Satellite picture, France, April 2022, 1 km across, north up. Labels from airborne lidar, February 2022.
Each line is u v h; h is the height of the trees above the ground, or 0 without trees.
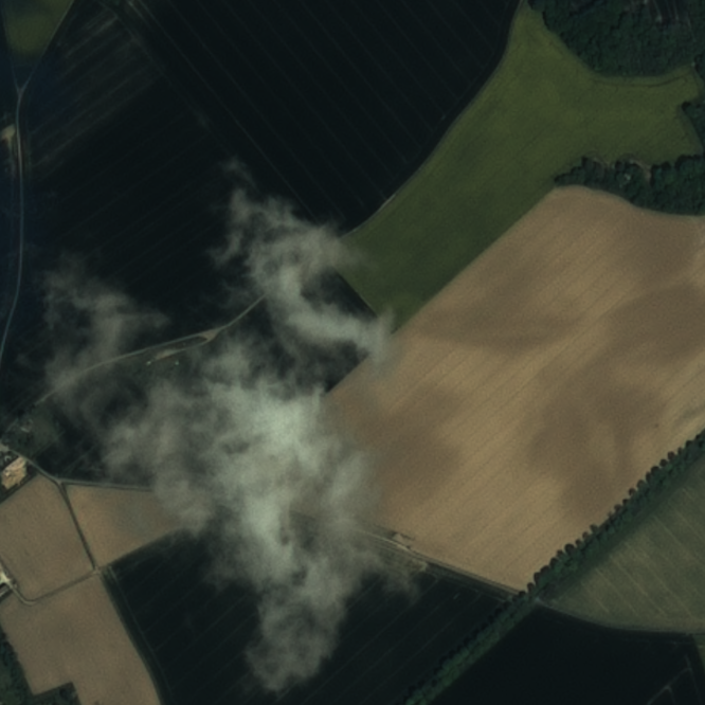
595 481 0
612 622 0
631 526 0
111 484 0
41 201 0
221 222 0
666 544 0
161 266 0
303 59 0
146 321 0
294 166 0
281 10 0
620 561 0
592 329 0
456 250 0
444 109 0
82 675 0
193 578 0
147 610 0
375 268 0
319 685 0
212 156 0
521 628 0
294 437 0
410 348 0
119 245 0
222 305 0
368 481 0
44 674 0
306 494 0
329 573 0
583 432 0
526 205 0
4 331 0
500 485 0
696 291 0
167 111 0
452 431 0
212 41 0
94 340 0
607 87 0
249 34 0
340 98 0
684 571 0
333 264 0
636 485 0
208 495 0
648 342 0
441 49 0
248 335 0
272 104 0
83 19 0
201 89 0
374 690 0
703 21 9
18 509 0
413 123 0
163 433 0
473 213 0
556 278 0
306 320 0
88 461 0
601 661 0
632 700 0
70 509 0
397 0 0
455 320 0
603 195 0
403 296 0
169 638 0
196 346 0
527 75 0
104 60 0
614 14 18
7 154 0
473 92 0
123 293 0
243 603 0
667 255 0
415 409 0
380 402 0
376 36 0
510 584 0
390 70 0
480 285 0
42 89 0
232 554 0
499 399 0
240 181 0
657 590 0
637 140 0
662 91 0
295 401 0
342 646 0
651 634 0
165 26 0
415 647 0
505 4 0
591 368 0
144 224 0
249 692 0
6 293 0
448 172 0
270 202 0
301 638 0
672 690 0
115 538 0
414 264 0
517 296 0
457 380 0
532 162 0
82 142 0
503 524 0
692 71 0
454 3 0
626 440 0
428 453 0
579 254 0
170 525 0
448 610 0
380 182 0
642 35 16
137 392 0
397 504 0
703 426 0
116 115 0
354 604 0
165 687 0
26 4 0
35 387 0
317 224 0
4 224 0
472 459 0
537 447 0
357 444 0
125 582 0
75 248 0
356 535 0
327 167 0
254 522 0
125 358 0
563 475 0
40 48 0
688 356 0
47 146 0
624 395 0
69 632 0
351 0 0
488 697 0
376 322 0
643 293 0
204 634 0
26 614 0
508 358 0
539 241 0
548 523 0
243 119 0
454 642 0
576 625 0
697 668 0
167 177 0
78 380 0
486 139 0
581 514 0
